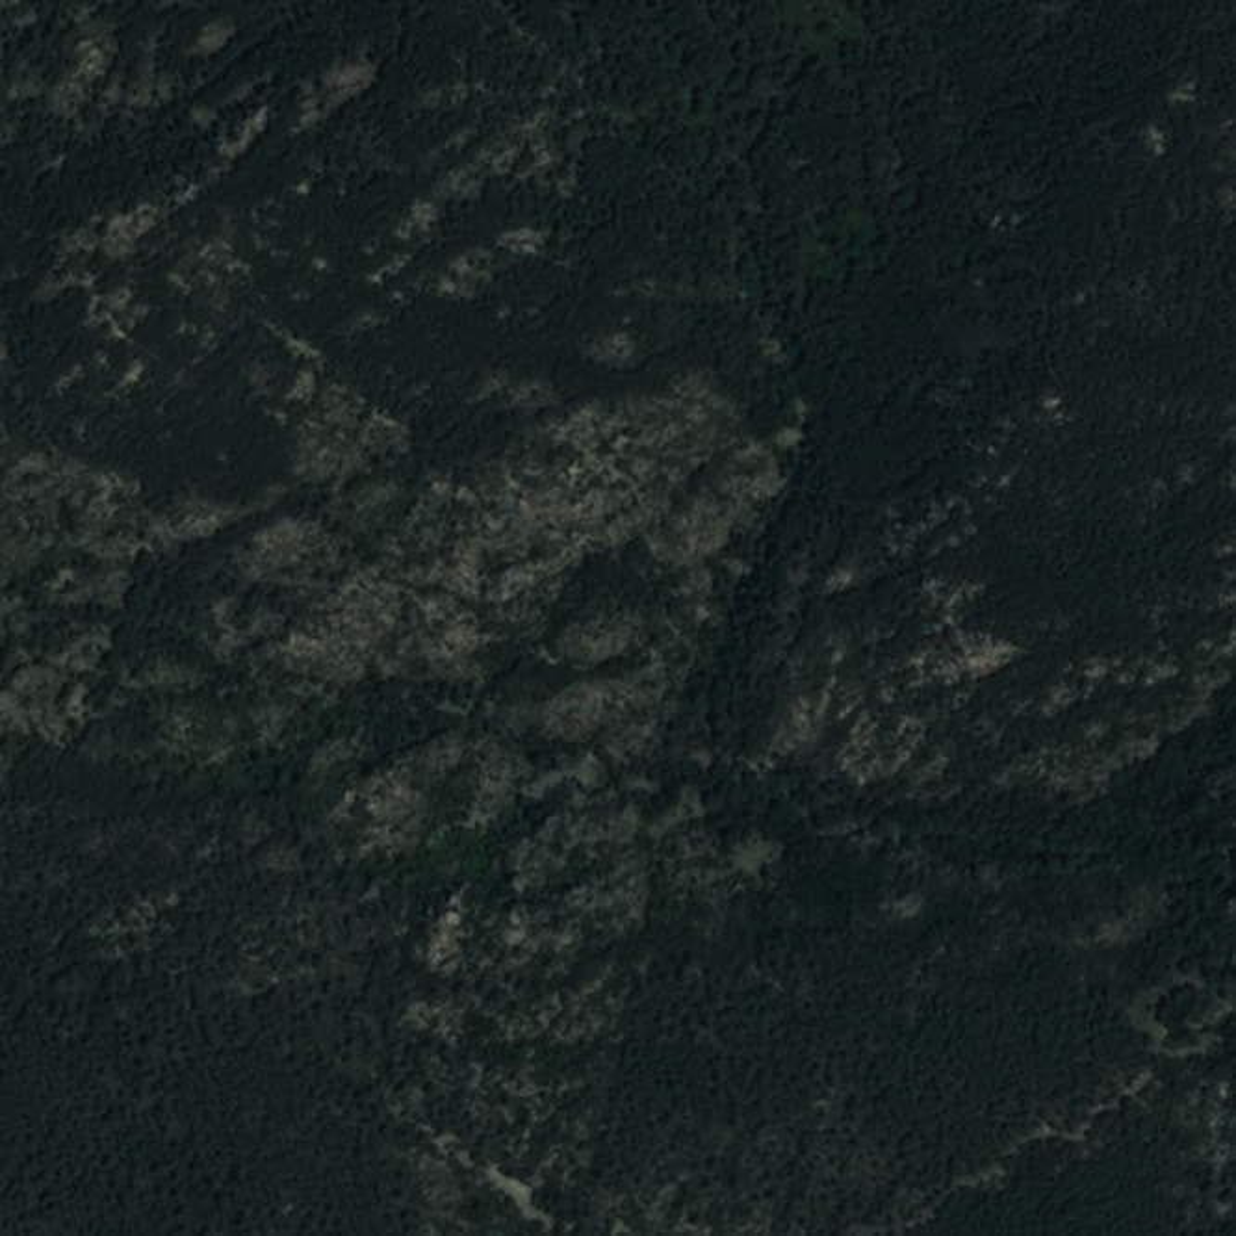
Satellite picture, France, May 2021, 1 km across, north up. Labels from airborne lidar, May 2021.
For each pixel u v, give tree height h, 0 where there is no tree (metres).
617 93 20
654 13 15
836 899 8
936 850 13
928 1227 19
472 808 7
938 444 14
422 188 17
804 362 19
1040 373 11
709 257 18
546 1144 8
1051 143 14
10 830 20
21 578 7
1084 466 13
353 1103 22
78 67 8
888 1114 17
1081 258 17
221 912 20
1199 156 12
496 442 11
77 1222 14
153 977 12
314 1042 23
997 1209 15
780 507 8
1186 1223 15
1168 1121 8
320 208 14
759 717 19
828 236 10
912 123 22
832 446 13
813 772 16
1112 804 16
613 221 17
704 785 18
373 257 12
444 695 15
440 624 8
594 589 18
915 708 11
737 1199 18
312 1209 20
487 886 8
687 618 10
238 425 12
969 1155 20
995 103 18
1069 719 9
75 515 17
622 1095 18
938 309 16
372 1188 24
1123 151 10
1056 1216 18
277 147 11
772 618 12
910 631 12
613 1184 12
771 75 20
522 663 16
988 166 13
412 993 14
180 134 20
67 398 12
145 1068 27
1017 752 12
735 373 11
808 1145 20
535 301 11
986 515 12
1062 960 12
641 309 12
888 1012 13
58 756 14
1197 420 8
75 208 20
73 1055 23
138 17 18
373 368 12
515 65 17
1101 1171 14
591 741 9
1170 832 16
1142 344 15
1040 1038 18
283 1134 20
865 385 16
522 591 9
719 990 19
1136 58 12
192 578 13
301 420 16
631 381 13
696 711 7
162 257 16
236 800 16
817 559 12
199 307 8
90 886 17
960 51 12
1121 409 10
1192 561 14
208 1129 25
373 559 12
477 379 11
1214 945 20
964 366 16
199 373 12
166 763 19
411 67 21
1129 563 16
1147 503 13
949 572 10
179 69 17
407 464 28
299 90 19
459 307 15
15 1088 20
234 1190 28
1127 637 14
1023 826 21
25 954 15
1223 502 13
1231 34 16
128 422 10
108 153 19
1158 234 15
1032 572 15
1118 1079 10
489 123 14
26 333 11
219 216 12
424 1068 20
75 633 10
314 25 18
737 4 18
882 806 11
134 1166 15
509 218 20
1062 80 14
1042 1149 17
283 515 8
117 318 11
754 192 6
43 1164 20
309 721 7
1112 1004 15
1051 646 12
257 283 12
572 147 15
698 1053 19
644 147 17
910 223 15
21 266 10
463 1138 21
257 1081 17
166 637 11
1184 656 16
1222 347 12
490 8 20
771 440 12
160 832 11
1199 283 18
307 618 10
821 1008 14
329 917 20
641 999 23
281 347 19
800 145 19
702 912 7
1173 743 17
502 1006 20
